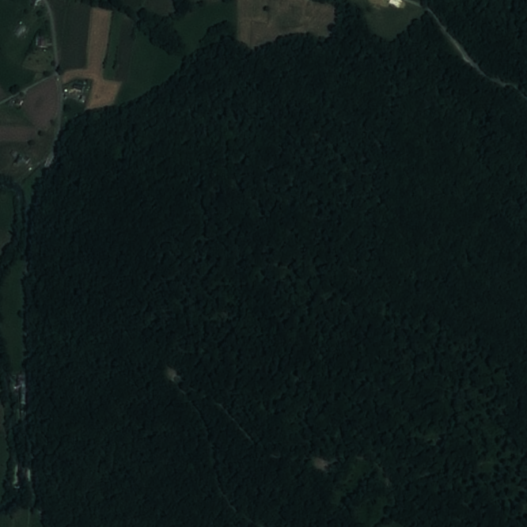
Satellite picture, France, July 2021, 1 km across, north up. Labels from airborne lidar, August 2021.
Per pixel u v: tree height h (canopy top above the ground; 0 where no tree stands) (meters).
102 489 28
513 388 20
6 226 0
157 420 30
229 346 29
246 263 31
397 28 0
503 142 25
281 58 26
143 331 25
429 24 17
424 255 28
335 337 31
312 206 22
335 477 24
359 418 26
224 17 0
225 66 23
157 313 26
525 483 31
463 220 23
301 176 29
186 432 26
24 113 0
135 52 0
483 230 28
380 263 26
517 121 28
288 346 25
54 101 0
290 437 22
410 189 23
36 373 23
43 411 25
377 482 27
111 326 24
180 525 18
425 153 28
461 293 24
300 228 30
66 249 17
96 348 25
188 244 31
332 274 25
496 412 27
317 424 30
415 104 26
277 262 31
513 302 27
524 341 27
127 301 25
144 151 24
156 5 0
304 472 23
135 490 27
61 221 24
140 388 27
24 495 24
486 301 27
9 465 11
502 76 22
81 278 25
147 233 24
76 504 28
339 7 21
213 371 14
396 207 26
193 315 27
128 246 25
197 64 24
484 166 23
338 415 33
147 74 0
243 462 24
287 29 0
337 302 30
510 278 26
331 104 25
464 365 33
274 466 24
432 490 36
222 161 27
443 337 25
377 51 28
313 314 28
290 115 22
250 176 27
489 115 19
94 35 0
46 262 23
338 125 27
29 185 0
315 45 29
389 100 26
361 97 22
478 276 24
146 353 28
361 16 18
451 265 24
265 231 31
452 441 34
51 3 0
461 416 30
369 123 26
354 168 26
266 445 26
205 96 31
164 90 22
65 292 24
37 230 28
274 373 32
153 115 24
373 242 26
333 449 24
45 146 0
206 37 7
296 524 30
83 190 28
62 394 25
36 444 19
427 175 28
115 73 0
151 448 29
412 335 32
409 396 28
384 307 26
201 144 26
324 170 26
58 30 0
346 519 28
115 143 29
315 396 30
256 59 24
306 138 27
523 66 27
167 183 28
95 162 29
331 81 25
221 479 21
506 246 26
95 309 26
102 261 26
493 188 23
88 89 0
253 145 28
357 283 25
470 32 20
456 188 25
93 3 20
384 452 24
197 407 21
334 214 24
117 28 0
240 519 26
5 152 0
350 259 26
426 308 26
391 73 28
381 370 26
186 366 24
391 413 28
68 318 21
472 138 30
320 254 30
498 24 30
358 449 20
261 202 30
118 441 31
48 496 25
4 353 21
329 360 24
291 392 30
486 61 23
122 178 31
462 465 26
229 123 24
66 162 28
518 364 30
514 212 26
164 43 22
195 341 28
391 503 9
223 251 30
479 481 35
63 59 0
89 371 22
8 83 0
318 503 27
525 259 27
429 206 26
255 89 20
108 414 28
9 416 8
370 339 29
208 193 28
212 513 25
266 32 0
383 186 27
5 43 0
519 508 36
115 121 25
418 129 25
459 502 34
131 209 28
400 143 27
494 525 39
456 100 18
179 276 27
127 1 0
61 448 23
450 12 20
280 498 24
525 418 32
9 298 0
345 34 21
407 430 29
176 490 21
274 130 29
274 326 28
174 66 0
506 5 27
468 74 23
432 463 33
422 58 23
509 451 28
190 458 25
